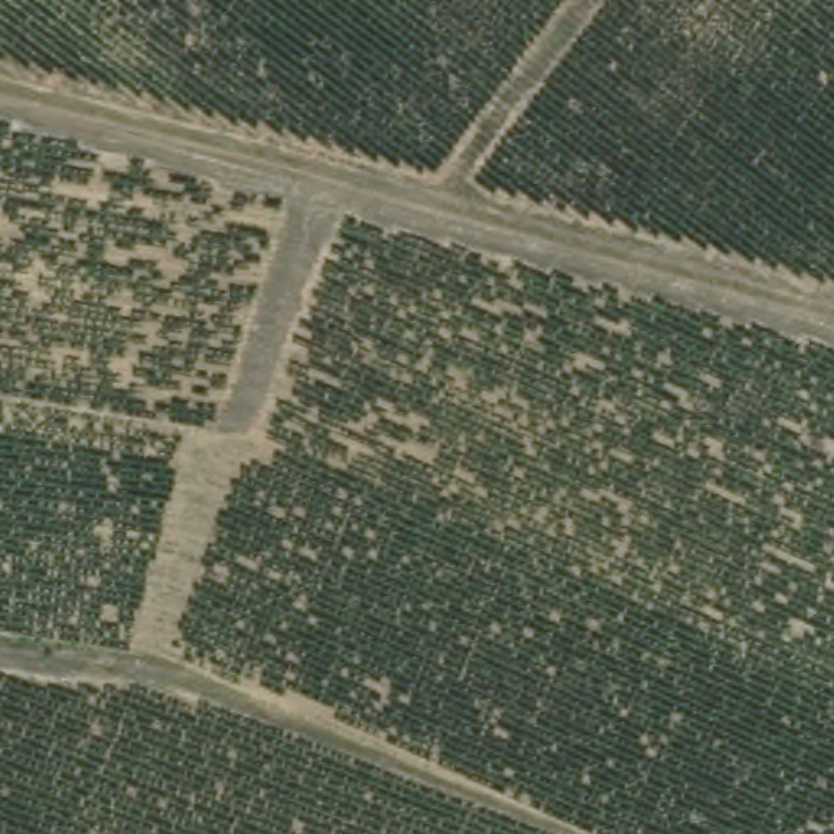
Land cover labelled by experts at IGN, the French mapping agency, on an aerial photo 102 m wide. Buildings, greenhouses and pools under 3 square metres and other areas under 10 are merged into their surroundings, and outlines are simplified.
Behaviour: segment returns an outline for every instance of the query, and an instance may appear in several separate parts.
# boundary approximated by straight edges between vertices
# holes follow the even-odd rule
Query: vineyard
[[[287,215],[280,209],[248,205],[248,192],[235,192],[228,202],[215,202],[209,195],[209,186],[202,186],[189,173],[169,176],[173,182],[179,182],[179,189],[163,189],[143,169],[143,160],[127,160],[124,153],[94,156],[78,150],[75,140],[10,130],[7,121],[0,121],[0,629],[23,632],[26,622],[39,612],[59,626],[59,635],[68,642],[98,642],[104,648],[130,645],[134,619],[147,586],[147,567],[160,551],[160,528],[173,492],[176,450],[189,427],[209,424],[215,417],[215,404],[228,404],[235,397],[261,313],[251,303],[254,283],[264,283],[277,264]]]
[[[65,78],[85,78],[111,91],[127,88],[134,94],[150,94],[160,104],[176,101],[179,108],[222,114],[235,124],[264,124],[270,130],[283,130],[293,137],[336,143],[349,153],[407,163],[417,169],[437,169],[560,0],[0,0],[0,59],[13,59],[26,68],[59,72]]]
[[[440,788],[404,782],[375,766],[381,753],[365,749],[352,740],[339,740],[293,717],[277,717],[274,723],[264,723],[257,717],[238,717],[222,707],[189,707],[176,697],[153,694],[147,687],[62,687],[0,674],[0,834],[547,834],[521,818],[498,814],[492,808],[476,808],[463,798],[443,795]]]
[[[749,261],[766,261],[772,267],[788,267],[814,280],[834,280],[834,0],[606,0],[590,29],[554,68],[544,91],[531,101],[531,108],[508,130],[495,156],[485,163],[485,169],[479,173],[482,186],[521,192],[534,202],[557,202],[560,209],[577,209],[586,215],[599,215],[606,222],[626,222],[629,228],[687,238],[694,244],[733,251]]]
[[[277,401],[277,410],[270,417],[274,456],[270,463],[241,466],[241,472],[231,479],[225,508],[215,518],[215,541],[209,541],[202,554],[202,580],[192,586],[173,645],[186,642],[182,655],[189,661],[202,658],[228,678],[248,678],[277,694],[313,697],[332,707],[339,720],[381,730],[388,743],[397,743],[417,756],[430,756],[440,743],[443,766],[469,779],[479,779],[492,788],[528,795],[538,808],[599,834],[834,834],[834,349],[795,345],[772,326],[723,326],[717,316],[678,306],[665,293],[655,300],[622,303],[616,287],[580,290],[564,270],[544,274],[528,264],[515,264],[521,287],[508,287],[508,277],[498,264],[482,264],[479,254],[469,254],[463,248],[440,248],[424,235],[388,238],[378,225],[365,225],[355,218],[345,218],[342,225],[342,238],[332,248],[332,261],[326,261],[323,267],[323,283],[316,287],[306,329],[293,339],[306,345],[309,355],[290,358],[287,365],[293,394],[287,401]]]

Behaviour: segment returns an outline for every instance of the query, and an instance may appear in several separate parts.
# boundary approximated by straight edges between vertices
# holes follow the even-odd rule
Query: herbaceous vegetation
[[[134,619],[130,645],[104,648],[98,642],[68,642],[59,635],[59,626],[39,612],[26,622],[23,632],[0,629],[0,674],[62,687],[147,687],[153,694],[176,697],[189,707],[222,707],[238,717],[257,717],[264,723],[274,723],[277,717],[293,717],[339,740],[352,740],[365,749],[381,753],[375,766],[404,782],[440,788],[443,795],[463,798],[476,808],[492,808],[498,814],[521,818],[547,834],[599,834],[538,808],[528,795],[492,788],[479,779],[469,779],[443,766],[440,743],[430,756],[417,756],[397,743],[388,743],[381,730],[339,720],[332,707],[313,697],[277,694],[248,678],[228,678],[202,658],[189,661],[182,655],[186,642],[173,645],[192,586],[202,580],[202,554],[209,541],[215,541],[215,518],[225,508],[231,479],[241,472],[241,466],[270,463],[274,456],[270,417],[277,410],[277,401],[287,401],[293,394],[287,365],[290,358],[309,355],[306,345],[293,339],[306,329],[316,287],[323,283],[323,267],[326,261],[332,261],[332,248],[342,238],[342,225],[345,218],[355,218],[365,225],[378,225],[388,238],[424,235],[440,248],[463,248],[469,254],[479,254],[482,264],[498,264],[508,277],[508,287],[521,287],[515,264],[528,264],[544,274],[564,270],[580,290],[616,287],[622,303],[655,300],[665,293],[678,306],[717,316],[723,326],[772,326],[795,345],[834,349],[834,280],[814,280],[788,267],[772,267],[766,261],[749,261],[733,251],[694,244],[687,238],[629,228],[626,222],[606,222],[599,215],[586,215],[577,209],[560,209],[557,202],[534,202],[521,192],[482,186],[479,173],[485,169],[485,163],[495,156],[508,130],[531,108],[531,101],[544,91],[554,68],[590,29],[606,0],[560,0],[437,169],[417,169],[407,163],[349,153],[336,143],[293,137],[283,130],[270,130],[264,124],[235,124],[222,114],[179,108],[176,101],[160,104],[150,94],[134,94],[127,88],[111,91],[85,78],[65,78],[59,72],[26,68],[13,59],[0,59],[0,121],[7,121],[10,130],[75,140],[78,150],[94,156],[124,153],[127,160],[143,160],[143,169],[163,189],[179,189],[179,182],[173,182],[169,176],[189,173],[202,186],[209,186],[209,195],[215,202],[228,202],[235,192],[248,192],[248,205],[280,209],[287,215],[277,264],[264,283],[254,283],[251,303],[261,313],[235,397],[228,404],[215,404],[215,417],[209,424],[189,427],[176,450],[173,492],[160,528],[160,551],[147,567],[147,586]]]

